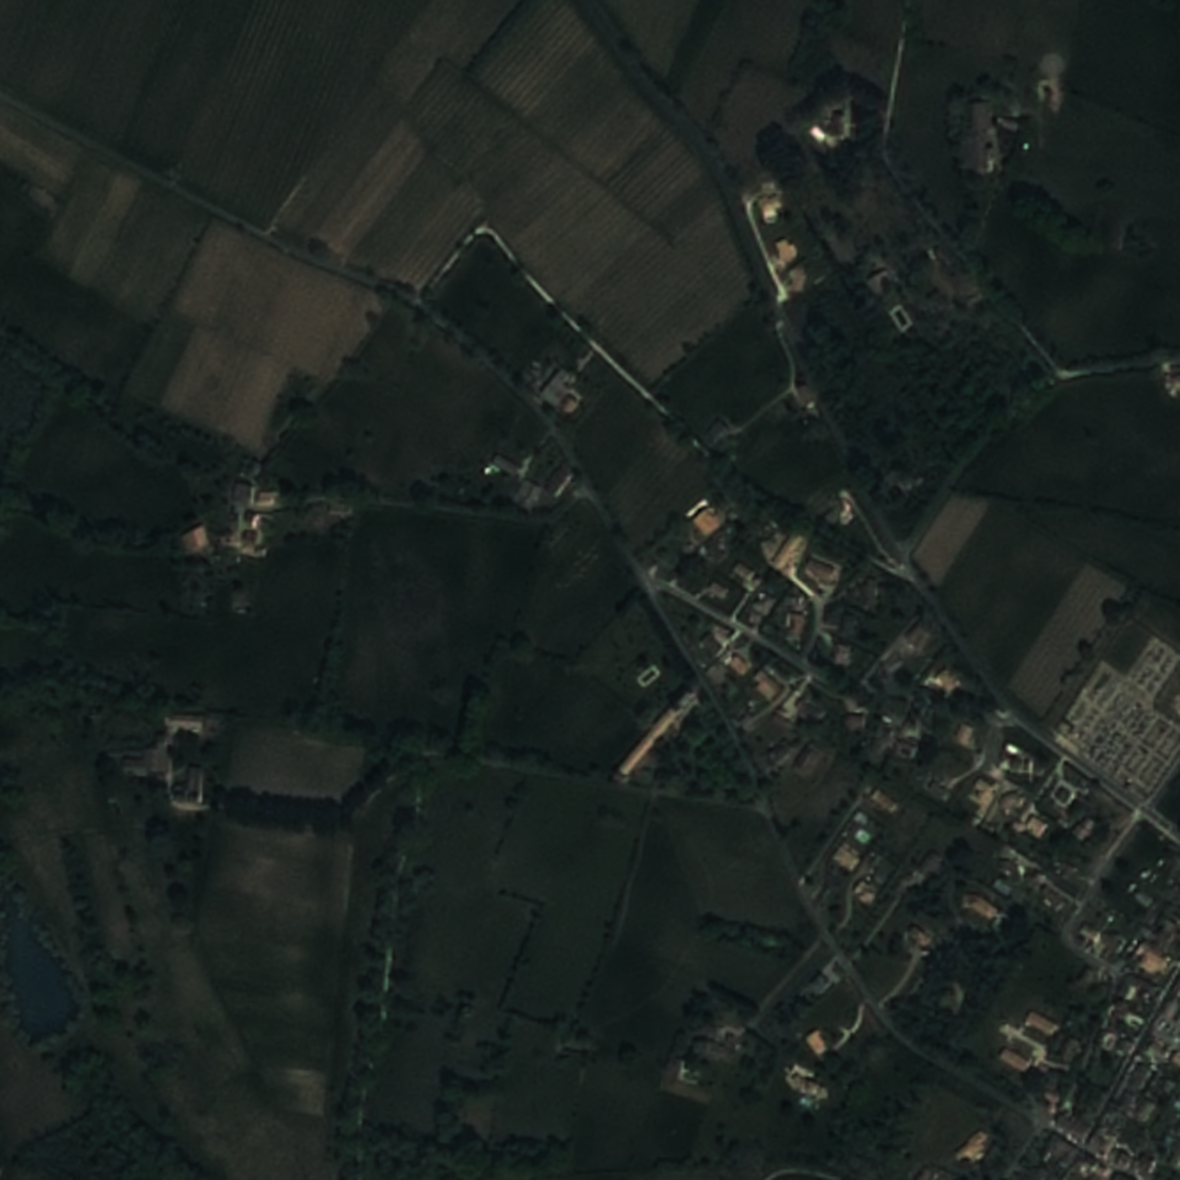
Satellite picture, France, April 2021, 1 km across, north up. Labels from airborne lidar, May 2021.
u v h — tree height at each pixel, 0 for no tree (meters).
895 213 11
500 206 0
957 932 9
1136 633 0
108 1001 17
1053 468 0
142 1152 12
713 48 0
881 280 0
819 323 12
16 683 16
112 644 0
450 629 0
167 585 0
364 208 0
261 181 0
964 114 15
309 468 0
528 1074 0
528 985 0
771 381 0
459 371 0
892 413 14
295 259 0
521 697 0
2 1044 0
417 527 0
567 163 0
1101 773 0
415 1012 14
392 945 15
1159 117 0
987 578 0
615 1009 0
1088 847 11
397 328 0
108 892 0
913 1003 9
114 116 0
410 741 23
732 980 0
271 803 13
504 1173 21
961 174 8
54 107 0
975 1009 17
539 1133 0
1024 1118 0
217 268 0
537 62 0
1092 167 0
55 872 0
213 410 0
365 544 0
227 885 0
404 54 0
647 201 0
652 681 0
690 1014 9
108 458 0
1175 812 0
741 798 16
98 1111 12
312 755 0
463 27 0
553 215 0
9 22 0
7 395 15
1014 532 0
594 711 0
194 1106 0
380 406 0
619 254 0
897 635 0
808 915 10
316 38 0
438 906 0
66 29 0
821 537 16
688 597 0
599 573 0
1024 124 9
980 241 19
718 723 10
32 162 0
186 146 0
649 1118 0
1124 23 0
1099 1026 8
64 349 0
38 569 0
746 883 0
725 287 0
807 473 0
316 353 0
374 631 0
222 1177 0
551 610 0
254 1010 0
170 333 0
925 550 0
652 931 0
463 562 0
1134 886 0
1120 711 0
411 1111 0
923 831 0
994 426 17
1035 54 0
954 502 0
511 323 0
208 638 0
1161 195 0
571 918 0
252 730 0
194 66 0
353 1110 17
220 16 0
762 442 0
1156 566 0
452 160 0
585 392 9
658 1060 0
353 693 0
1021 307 19
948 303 18
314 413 17
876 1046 12
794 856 0
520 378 7
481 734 15
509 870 0
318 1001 0
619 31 0
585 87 0
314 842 0
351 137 0
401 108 0
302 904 0
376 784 12
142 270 0
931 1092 7
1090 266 0
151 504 0
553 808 0
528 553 0
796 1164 13
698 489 0
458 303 0
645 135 0
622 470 0
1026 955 10
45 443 0
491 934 0
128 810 0
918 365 13
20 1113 0
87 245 0
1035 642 0
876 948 7
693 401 0
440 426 0
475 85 0
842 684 20
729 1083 0
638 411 0
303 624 0
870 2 0
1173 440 0
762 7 0
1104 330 0
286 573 0
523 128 0
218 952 0
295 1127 0
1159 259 0
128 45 0
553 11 0
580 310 0
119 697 10
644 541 0
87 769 0
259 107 0
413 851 19
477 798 0
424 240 0
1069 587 0
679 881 0
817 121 11
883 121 16
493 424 0
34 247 0
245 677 0
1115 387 0
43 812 0
